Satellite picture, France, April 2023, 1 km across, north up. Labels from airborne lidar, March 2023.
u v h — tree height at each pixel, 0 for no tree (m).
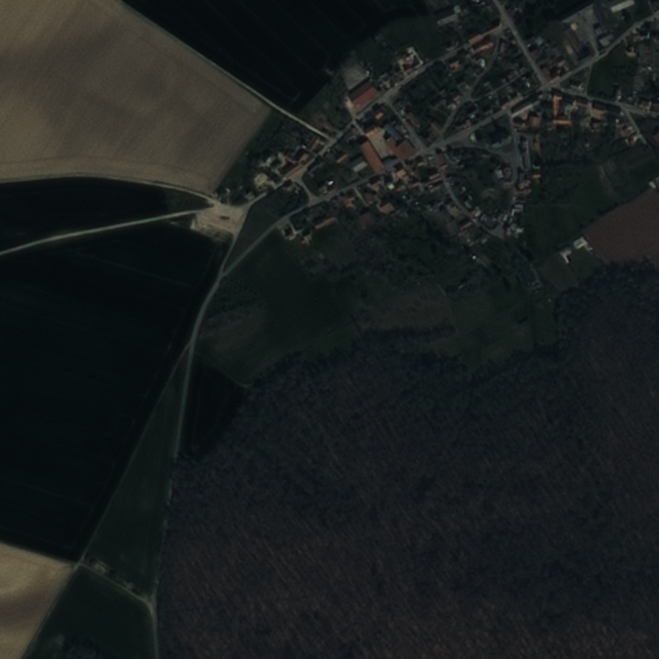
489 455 32
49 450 0
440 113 0
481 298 0
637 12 0
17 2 0
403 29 0
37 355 0
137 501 0
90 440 0
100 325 0
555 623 24
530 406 26
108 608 0
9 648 0
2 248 0
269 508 24
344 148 8
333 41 0
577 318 22
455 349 0
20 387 0
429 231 11
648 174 0
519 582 19
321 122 0
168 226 0
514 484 29
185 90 0
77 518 0
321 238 0
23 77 0
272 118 0
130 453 0
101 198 0
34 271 0
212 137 0
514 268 12
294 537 27
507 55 6
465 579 25
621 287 21
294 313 0
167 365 0
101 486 0
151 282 0
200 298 0
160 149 0
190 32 0
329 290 0
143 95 0
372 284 0
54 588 0
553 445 29
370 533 28
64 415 0
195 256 0
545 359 21
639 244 0
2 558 0
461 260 12
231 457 24
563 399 27
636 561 26
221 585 27
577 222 0
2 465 0
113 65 0
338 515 26
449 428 29
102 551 0
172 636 22
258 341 0
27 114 0
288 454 25
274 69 0
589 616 23
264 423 23
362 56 0
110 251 0
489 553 22
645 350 25
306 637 26
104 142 0
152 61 0
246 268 0
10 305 0
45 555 0
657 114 0
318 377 20
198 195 0
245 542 26
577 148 9
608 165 0
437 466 26
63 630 0
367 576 27
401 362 28
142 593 0
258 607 29
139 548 0
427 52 0
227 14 0
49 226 0
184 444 0
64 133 0
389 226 5
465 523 26
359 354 18
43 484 0
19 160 0
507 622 27
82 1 0
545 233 0
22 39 0
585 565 26
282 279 0
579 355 25
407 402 26
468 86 0
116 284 0
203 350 0
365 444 27
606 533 29
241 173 0
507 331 0
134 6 0
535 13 15
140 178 0
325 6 0
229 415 0
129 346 0
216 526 28
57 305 0
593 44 0
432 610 23
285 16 0
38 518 0
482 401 20
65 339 0
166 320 0
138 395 0
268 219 0
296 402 24
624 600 26
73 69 0
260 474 23
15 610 0
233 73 0
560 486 29
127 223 0
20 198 0
